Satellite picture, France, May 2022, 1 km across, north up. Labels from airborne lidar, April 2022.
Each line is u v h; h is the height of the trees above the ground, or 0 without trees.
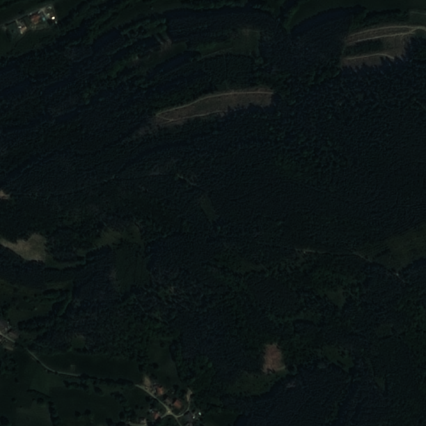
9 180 26
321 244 14
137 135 19
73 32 8
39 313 0
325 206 18
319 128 20
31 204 11
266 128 15
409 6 0
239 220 19
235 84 14
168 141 8
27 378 0
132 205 15
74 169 22
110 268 31
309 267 14
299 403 33
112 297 28
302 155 15
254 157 22
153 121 28
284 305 12
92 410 0
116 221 30
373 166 17
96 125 22
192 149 24
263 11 13
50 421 0
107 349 23
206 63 9
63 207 18
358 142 22
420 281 19
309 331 27
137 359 9
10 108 24
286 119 35
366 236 14
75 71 28
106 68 33
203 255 15
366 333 21
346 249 11
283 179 16
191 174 17
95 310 22
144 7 0
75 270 18
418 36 0
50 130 19
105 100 27
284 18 23
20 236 19
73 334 25
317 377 28
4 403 0
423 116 23
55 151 20
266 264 15
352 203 13
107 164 14
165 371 0
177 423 0
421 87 33
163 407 0
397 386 15
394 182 19
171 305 34
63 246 21
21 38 0
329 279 22
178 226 15
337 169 17
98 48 26
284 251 14
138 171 22
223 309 10
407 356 13
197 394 8
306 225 11
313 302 27
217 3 24
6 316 13
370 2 0
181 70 9
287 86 35
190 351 24
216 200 15
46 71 14
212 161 21
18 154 6
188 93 15
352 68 0
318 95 26
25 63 12
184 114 0
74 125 20
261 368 19
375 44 11
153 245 8
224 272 24
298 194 19
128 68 0
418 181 17
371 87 32
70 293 12
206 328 33
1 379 0
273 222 17
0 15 0
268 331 14
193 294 30
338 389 21
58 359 0
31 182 23
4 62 18
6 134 24
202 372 18
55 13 0
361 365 30
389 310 18
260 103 0
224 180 22
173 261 26
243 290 21
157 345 0
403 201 14
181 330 27
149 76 19
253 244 16
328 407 20
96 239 17
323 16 0
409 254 0
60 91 28
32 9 0
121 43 30
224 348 22
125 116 16
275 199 18
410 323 19
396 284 18
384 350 11
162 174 17
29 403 0
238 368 26
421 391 10
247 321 12
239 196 18
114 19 8
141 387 0
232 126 21
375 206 19
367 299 24
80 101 32
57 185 22
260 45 0
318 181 12
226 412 11
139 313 28
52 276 17
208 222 17
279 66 37
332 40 33
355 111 14
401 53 0
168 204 22
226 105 0
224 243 21
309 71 27
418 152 17
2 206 12
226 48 0
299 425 18
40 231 10
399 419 17
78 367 0
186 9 0
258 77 17
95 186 17
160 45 29
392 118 16
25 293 0
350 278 15
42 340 22
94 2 15
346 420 27
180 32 24
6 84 30
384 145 14
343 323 13
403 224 14
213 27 30
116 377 0
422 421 16
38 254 0
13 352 0
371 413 29
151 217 15
